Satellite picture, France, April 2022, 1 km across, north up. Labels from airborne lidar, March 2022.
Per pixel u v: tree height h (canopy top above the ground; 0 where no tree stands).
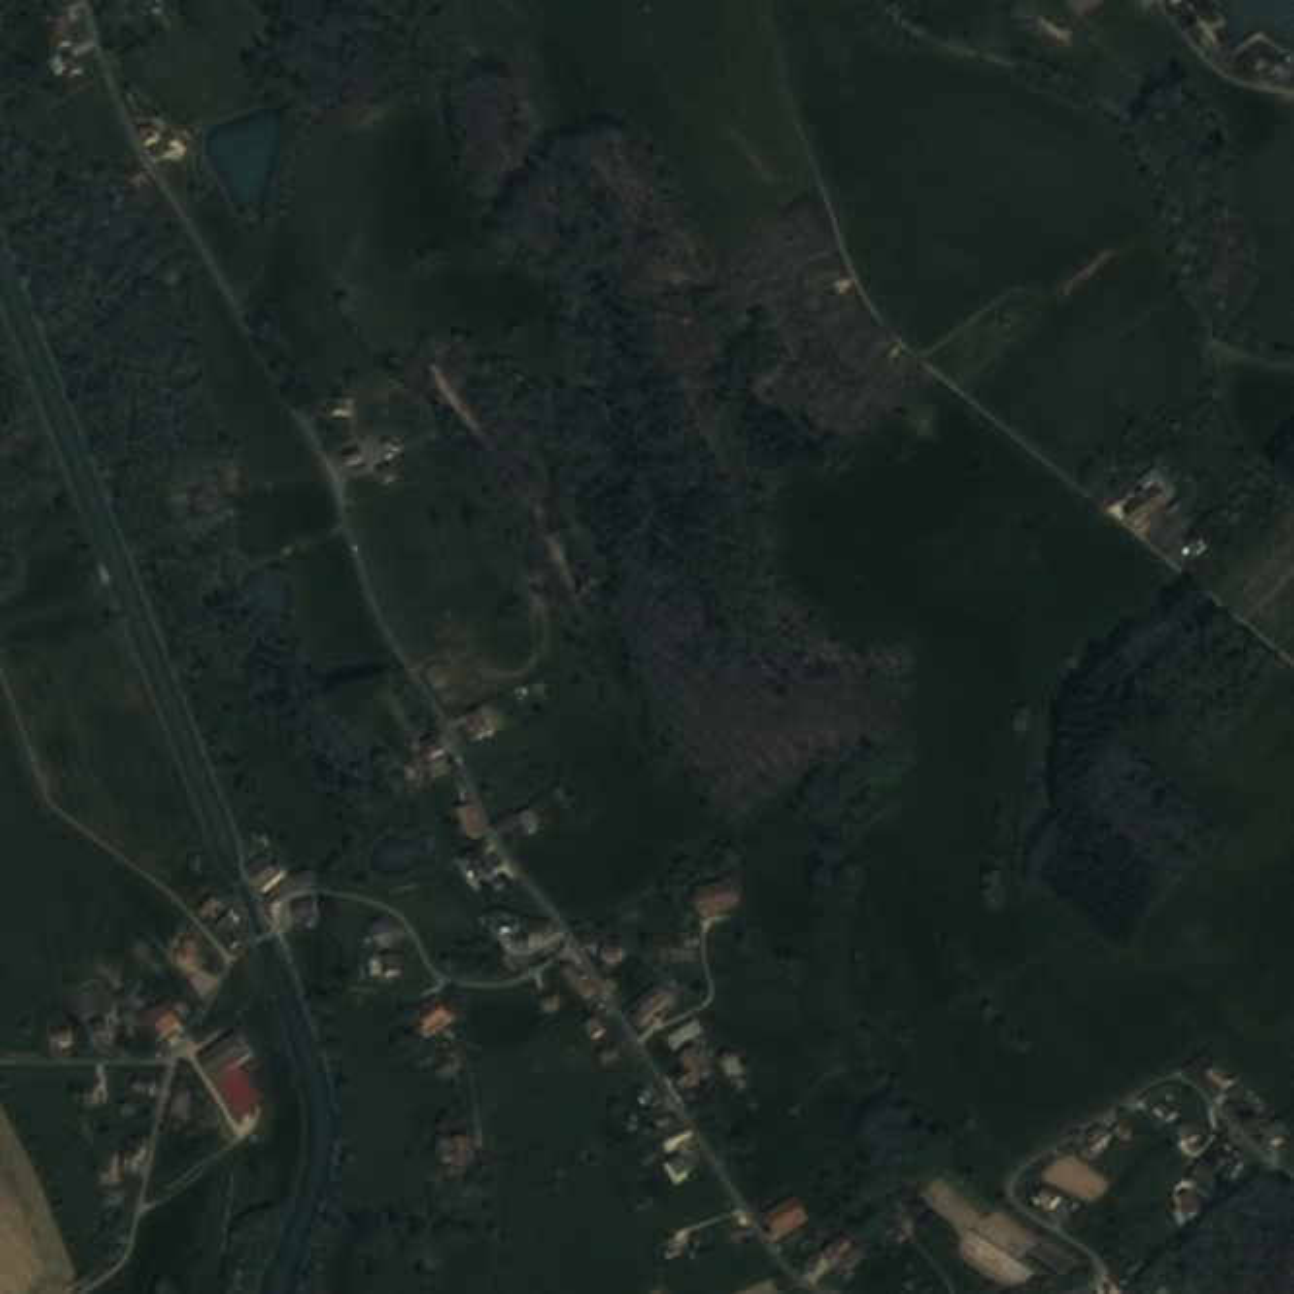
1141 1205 0
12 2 0
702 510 12
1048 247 0
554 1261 0
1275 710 0
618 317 37
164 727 0
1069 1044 0
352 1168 16
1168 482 0
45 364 0
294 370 23
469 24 0
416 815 9
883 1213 10
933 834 0
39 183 22
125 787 0
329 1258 9
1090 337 0
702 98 0
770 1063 0
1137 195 0
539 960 0
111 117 0
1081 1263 0
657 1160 0
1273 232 0
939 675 0
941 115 0
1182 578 0
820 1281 0
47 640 0
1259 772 0
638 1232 0
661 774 0
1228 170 21
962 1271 0
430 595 0
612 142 31
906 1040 14
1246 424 0
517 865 0
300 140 0
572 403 27
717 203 0
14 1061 0
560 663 0
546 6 0
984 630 0
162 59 0
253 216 8
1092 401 0
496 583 0
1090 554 0
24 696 0
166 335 25
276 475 0
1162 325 0
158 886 0
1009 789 0
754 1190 0
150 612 0
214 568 20
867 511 0
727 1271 0
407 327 0
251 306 0
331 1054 19
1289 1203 26
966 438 0
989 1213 0
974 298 0
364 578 0
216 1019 0
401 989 9
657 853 0
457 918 0
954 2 0
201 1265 8
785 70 0
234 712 12
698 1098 8
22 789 0
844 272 0
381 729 0
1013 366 0
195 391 19
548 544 28
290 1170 0
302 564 0
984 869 0
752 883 0
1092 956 0
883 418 0
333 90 33
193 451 20
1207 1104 0
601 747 0
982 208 0
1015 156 0
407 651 0
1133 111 0
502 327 0
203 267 0
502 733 0
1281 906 0
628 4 0
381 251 0
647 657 31
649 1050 0
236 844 0
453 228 0
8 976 0
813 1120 0
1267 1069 0
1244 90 0
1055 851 22
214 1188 0
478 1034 0
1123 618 0
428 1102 0
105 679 0
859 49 0
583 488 29
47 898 0
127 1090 0
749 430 16
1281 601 0
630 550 26
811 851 0
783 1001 0
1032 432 0
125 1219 11
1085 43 0
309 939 0
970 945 0
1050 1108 0
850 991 0
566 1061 0
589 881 0
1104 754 28
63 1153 0
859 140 0
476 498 0
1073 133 0
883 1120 26
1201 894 0
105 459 27
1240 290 23
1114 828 22
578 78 0
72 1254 0
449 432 24
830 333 0
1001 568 0
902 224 0
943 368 0
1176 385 0
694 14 0
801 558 0
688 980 0
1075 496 0
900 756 25
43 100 23
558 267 17
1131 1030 0
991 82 0
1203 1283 29
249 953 0
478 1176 9
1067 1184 0
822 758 22
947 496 0
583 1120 0
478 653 0
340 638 0
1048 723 0
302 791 0
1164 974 0
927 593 0
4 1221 0
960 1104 0
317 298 0
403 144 0
